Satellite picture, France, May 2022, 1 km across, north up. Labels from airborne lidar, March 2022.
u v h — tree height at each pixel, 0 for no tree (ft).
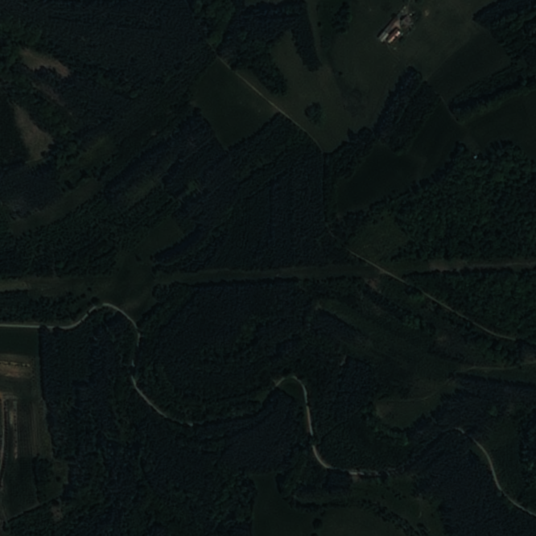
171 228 0
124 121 31
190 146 107
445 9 0
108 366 90
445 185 67
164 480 73
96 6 102
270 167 32
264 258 73
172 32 104
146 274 0
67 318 29
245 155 43
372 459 25
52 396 59
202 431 57
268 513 0
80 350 32
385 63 0
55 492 0
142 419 31
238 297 68
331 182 33
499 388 82
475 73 0
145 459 76
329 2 0
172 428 56
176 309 35
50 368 66
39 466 49
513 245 44
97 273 32
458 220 67
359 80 0
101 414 95
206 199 91
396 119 59
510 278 68
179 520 23
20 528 36
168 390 76
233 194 92
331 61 0
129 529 50
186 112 38
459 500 115
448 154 0
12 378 0
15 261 52
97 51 89
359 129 0
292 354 108
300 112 0
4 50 92
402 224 74
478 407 99
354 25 0
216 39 96
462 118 71
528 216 61
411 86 72
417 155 0
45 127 79
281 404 97
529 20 20
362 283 28
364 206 0
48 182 99
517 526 70
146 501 94
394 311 47
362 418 20
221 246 59
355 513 0
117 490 112
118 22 70
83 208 29
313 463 35
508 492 0
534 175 61
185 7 100
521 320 58
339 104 0
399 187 0
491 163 67
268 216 48
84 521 52
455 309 47
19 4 87
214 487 66
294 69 0
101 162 0
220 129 0
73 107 85
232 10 93
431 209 64
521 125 0
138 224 32
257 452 101
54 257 24
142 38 98
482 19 42
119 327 86
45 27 84
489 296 62
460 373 0
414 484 0
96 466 107
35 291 0
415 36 0
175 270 43
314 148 41
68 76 0
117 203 97
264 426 97
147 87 80
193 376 66
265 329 83
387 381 19
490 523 84
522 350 72
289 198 57
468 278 67
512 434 0
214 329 74
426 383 0
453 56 0
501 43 60
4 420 0
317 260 68
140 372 50
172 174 64
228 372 62
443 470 110
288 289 54
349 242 34
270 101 0
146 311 0
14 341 0
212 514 78
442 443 87
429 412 0
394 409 0
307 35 68
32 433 0
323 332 95
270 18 99
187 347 69
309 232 75
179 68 85
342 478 71
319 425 31
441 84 0
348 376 54
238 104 0
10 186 87
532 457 65
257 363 61
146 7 69
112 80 91
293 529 0
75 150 61
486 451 0
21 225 0
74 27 97
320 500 0
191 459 64
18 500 0
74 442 37
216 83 0
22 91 75
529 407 84
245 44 81
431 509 0
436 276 54
